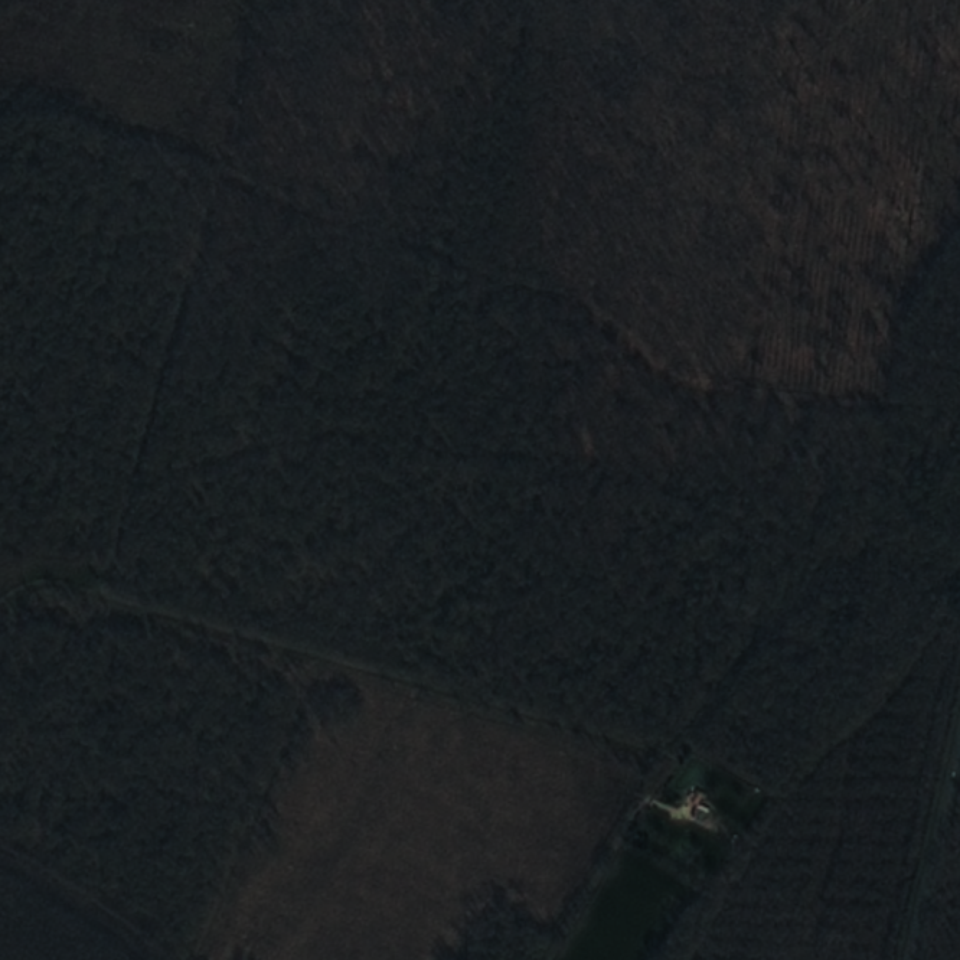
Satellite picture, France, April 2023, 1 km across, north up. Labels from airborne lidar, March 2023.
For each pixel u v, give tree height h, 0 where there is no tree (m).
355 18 25
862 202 26
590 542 26
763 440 26
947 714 18
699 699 24
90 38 0
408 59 26
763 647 24
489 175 24
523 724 26
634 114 20
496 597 26
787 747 25
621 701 24
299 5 24
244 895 0
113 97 0
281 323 24
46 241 23
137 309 21
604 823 0
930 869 0
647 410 24
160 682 22
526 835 0
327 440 24
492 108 28
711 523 26
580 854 0
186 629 0
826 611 27
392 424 20
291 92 25
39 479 21
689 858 15
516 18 22
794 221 26
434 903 0
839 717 21
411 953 0
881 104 0
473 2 22
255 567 16
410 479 28
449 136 22
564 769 0
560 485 25
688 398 25
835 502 22
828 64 0
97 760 27
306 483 25
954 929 20
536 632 22
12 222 28
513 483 25
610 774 0
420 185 26
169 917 18
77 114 21
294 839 0
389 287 20
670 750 12
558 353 23
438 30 28
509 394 21
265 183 24
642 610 28
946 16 0
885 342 31
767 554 23
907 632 23
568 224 18
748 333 15
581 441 28
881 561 21
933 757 14
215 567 19
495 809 0
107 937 21
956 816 10
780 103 15
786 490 26
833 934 21
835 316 0
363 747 0
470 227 26
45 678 25
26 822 19
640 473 20
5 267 21
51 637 24
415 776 0
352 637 22
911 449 22
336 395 18
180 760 27
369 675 0
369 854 0
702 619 21
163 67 0
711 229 12
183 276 22
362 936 0
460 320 23
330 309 21
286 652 0
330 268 26
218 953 0
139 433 21
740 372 13
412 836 0
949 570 21
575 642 26
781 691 29
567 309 22
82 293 20
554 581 26
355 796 0
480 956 30
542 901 0
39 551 26
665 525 15
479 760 0
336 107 26
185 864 27
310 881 0
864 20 0
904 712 12
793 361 0
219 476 22
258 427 24
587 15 18
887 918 14
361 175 25
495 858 0
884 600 16
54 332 20
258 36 20
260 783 22
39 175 22
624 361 27
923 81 0
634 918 0
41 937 25
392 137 27
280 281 21
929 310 29
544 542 23
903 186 0
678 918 17
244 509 23
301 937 0
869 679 29
